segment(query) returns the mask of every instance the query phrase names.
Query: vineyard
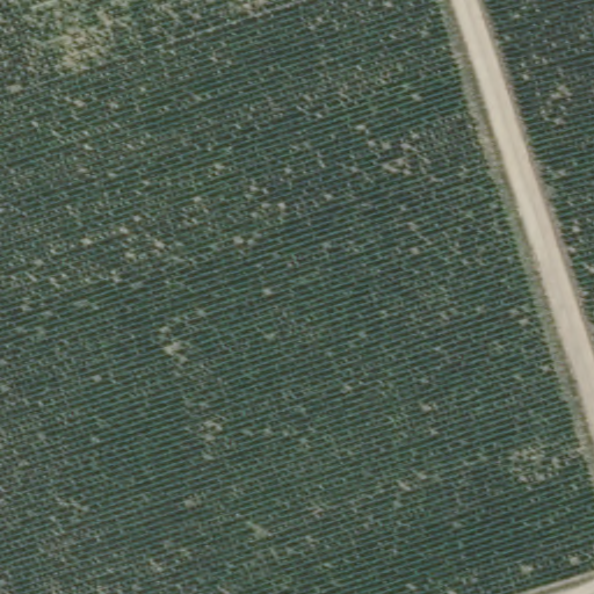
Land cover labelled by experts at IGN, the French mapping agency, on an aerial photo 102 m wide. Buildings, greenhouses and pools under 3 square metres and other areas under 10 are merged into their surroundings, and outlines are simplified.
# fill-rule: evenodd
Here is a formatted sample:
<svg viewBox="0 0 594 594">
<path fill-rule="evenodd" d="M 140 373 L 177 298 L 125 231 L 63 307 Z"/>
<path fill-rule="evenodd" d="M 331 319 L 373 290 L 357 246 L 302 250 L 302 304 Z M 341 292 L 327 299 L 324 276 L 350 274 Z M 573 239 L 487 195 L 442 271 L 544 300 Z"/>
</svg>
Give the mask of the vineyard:
<svg viewBox="0 0 594 594">
<path fill-rule="evenodd" d="M 527 237 L 524 220 L 517 209 L 517 200 L 504 165 L 504 155 L 490 121 L 490 111 L 450 0 L 0 0 L 0 594 L 594 594 L 594 436 L 580 399 L 578 381 L 573 376 L 545 295 L 545 285 L 541 281 L 538 262 Z"/>
<path fill-rule="evenodd" d="M 524 139 L 531 153 L 531 162 L 536 167 L 536 176 L 541 181 L 543 200 L 548 202 L 548 207 L 552 207 L 555 218 L 559 223 L 559 248 L 562 255 L 568 260 L 575 297 L 580 302 L 585 327 L 594 346 L 594 0 L 480 0 L 492 30 L 492 39 L 499 51 L 499 60 L 506 72 L 508 88 L 517 107 L 517 116 L 524 125 Z"/>
</svg>

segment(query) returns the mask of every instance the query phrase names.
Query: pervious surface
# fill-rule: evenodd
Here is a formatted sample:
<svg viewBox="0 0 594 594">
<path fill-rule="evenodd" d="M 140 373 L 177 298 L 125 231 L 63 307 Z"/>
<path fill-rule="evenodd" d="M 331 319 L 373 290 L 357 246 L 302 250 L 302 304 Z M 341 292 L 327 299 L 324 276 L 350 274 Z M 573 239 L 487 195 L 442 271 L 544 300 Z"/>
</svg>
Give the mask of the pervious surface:
<svg viewBox="0 0 594 594">
<path fill-rule="evenodd" d="M 480 0 L 450 0 L 490 111 L 490 121 L 504 155 L 504 165 L 517 200 L 517 209 L 524 220 L 527 237 L 538 262 L 541 281 L 545 285 L 545 295 L 573 376 L 578 381 L 580 399 L 594 436 L 594 346 L 585 327 L 580 302 L 575 297 L 568 260 L 562 255 L 559 248 L 559 223 L 555 218 L 552 207 L 548 207 L 548 202 L 543 200 L 541 181 L 536 176 L 536 167 L 531 162 L 531 153 L 524 139 L 524 125 L 517 116 L 517 107 L 508 88 L 506 72 L 499 60 L 499 51 L 492 39 L 492 30 Z"/>
</svg>

